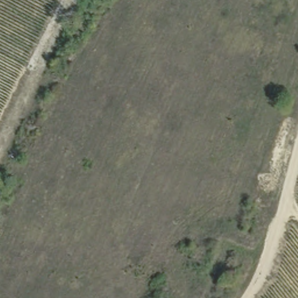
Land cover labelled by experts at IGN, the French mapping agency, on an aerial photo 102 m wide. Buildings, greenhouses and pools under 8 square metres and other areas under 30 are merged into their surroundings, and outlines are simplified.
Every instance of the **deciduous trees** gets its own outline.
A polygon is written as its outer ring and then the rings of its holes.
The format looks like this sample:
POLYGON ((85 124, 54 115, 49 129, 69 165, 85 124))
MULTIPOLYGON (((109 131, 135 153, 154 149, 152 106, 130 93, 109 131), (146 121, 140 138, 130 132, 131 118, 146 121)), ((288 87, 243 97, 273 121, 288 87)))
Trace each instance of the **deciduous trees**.
POLYGON ((72 19, 59 22, 61 29, 68 34, 69 42, 65 44, 64 51, 57 51, 56 58, 51 61, 51 68, 56 76, 69 78, 74 64, 73 61, 69 61, 69 56, 79 54, 86 47, 100 17, 105 16, 111 9, 108 6, 113 6, 118 0, 76 0, 77 12, 73 14, 72 19))
POLYGON ((295 98, 290 97, 284 88, 277 97, 277 105, 282 107, 282 115, 288 115, 290 118, 295 98))

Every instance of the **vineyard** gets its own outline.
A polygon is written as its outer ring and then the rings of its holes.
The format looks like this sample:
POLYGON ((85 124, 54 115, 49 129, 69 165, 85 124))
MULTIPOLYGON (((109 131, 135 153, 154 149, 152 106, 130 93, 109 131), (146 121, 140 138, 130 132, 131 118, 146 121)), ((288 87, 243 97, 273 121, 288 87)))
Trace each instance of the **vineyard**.
POLYGON ((254 298, 298 298, 298 221, 290 217, 285 223, 285 233, 279 240, 278 253, 272 263, 270 274, 265 277, 262 288, 257 291, 254 298))
POLYGON ((56 9, 59 0, 0 0, 0 109, 5 104, 17 74, 33 56, 37 43, 40 42, 47 27, 48 17, 52 15, 52 10, 56 9))

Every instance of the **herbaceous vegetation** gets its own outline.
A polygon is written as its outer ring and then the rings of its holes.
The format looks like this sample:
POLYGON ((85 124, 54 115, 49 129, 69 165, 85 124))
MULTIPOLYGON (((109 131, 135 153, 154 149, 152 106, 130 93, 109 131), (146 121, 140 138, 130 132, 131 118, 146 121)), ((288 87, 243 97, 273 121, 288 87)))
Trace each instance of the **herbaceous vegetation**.
POLYGON ((61 29, 59 22, 72 19, 73 14, 77 12, 76 0, 59 0, 56 9, 52 10, 52 15, 48 17, 47 27, 40 42, 37 43, 33 56, 17 74, 5 104, 0 109, 0 159, 12 144, 14 129, 19 125, 21 118, 21 109, 34 97, 44 70, 45 61, 42 54, 51 51, 61 29))

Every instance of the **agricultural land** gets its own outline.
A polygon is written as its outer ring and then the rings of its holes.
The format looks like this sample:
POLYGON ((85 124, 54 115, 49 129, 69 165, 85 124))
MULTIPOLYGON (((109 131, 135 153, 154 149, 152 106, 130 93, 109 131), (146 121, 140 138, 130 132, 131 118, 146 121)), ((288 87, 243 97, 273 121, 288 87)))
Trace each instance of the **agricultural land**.
POLYGON ((56 58, 57 51, 64 51, 65 44, 69 42, 68 34, 61 29, 51 51, 42 54, 45 61, 44 70, 34 97, 21 109, 21 118, 27 116, 28 120, 33 120, 40 116, 42 137, 35 141, 34 147, 30 147, 28 164, 22 166, 19 171, 23 173, 24 179, 21 191, 14 194, 14 203, 3 207, 0 215, 0 298, 141 298, 148 290, 148 278, 154 281, 159 276, 166 277, 166 283, 172 293, 175 293, 175 298, 241 298, 255 274, 269 225, 275 218, 298 133, 298 0, 118 0, 113 6, 108 6, 111 9, 105 16, 100 17, 86 47, 79 54, 69 56, 69 61, 73 61, 74 64, 69 78, 56 76, 51 68, 51 61, 56 58), (282 115, 282 107, 277 105, 277 97, 284 88, 290 97, 295 98, 290 118, 288 115, 282 115), (200 229, 206 222, 229 217, 236 217, 237 228, 234 230, 234 236, 223 239, 220 236, 215 243, 211 258, 214 264, 211 271, 212 279, 208 283, 203 283, 203 279, 199 278, 192 268, 182 268, 182 263, 186 261, 184 249, 190 246, 190 240, 206 233, 205 229, 200 229))

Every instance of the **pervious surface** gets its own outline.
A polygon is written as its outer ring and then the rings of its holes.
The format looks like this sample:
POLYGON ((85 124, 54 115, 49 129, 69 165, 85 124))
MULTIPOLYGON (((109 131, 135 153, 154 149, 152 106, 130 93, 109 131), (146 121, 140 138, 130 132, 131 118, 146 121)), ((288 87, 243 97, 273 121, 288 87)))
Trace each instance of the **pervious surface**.
POLYGON ((290 217, 298 221, 298 133, 275 218, 269 225, 255 274, 241 298, 254 298, 257 291, 262 288, 265 277, 270 274, 272 263, 278 253, 279 240, 285 233, 285 223, 290 217))

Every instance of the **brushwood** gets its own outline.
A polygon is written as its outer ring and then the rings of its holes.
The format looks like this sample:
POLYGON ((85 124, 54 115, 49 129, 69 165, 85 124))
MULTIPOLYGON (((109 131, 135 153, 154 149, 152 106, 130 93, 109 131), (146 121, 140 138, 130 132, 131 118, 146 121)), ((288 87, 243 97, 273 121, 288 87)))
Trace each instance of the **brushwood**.
POLYGON ((166 283, 166 277, 159 276, 154 281, 148 278, 148 290, 141 298, 175 298, 175 293, 172 293, 166 283))
POLYGON ((234 230, 237 228, 236 217, 229 217, 206 222, 200 229, 205 229, 206 233, 190 240, 190 246, 184 249, 186 261, 182 263, 182 268, 192 268, 199 278, 203 279, 203 283, 208 283, 212 279, 211 271, 214 264, 211 258, 215 243, 220 236, 223 239, 234 236, 234 230))
POLYGON ((14 129, 12 144, 0 159, 0 215, 3 207, 14 203, 14 194, 21 191, 24 179, 23 173, 19 171, 22 166, 28 164, 30 147, 34 147, 35 141, 42 137, 40 116, 33 120, 28 120, 27 116, 21 118, 19 125, 14 129))

